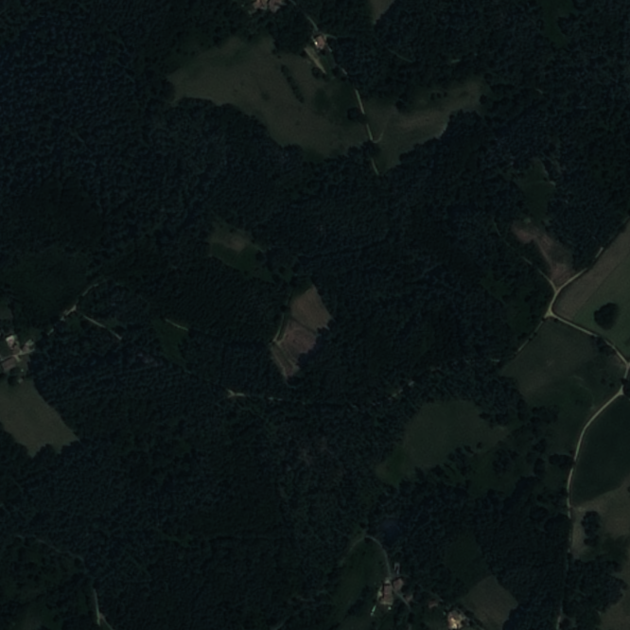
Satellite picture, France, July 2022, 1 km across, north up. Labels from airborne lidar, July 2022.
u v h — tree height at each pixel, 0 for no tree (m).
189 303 12
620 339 0
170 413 28
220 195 29
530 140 23
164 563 18
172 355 0
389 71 7
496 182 28
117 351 14
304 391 12
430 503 28
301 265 17
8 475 20
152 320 15
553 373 0
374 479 29
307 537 34
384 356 24
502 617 0
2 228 22
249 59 0
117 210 41
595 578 23
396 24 23
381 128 0
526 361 0
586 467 0
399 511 24
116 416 21
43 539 24
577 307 0
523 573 24
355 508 39
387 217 18
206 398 29
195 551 13
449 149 27
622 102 20
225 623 25
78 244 22
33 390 0
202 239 19
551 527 23
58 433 0
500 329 21
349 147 0
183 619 15
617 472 0
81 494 33
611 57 26
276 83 0
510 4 17
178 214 27
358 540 0
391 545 34
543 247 0
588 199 32
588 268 12
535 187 0
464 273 14
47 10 28
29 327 6
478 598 0
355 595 0
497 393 37
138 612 18
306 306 0
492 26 18
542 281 9
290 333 0
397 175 22
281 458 28
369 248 27
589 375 0
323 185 20
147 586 15
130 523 31
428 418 0
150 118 28
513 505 27
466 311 33
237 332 6
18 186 24
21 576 27
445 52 17
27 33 17
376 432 30
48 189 21
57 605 6
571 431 0
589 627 20
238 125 21
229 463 17
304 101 13
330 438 37
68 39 30
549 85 25
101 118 31
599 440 0
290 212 25
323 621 27
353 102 0
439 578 20
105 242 28
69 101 14
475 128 28
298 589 10
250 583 30
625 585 18
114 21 25
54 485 37
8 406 0
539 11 20
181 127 24
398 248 24
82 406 16
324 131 0
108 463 35
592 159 24
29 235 19
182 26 17
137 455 22
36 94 32
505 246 23
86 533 36
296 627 20
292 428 16
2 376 9
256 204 25
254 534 16
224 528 14
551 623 31
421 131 0
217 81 0
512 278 23
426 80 22
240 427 16
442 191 26
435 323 13
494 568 19
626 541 0
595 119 18
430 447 0
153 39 25
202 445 23
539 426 15
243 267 0
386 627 0
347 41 21
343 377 22
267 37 0
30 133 20
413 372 15
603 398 0
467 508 16
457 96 0
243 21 13
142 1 24
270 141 31
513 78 21
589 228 29
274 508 17
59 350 11
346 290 28
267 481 13
